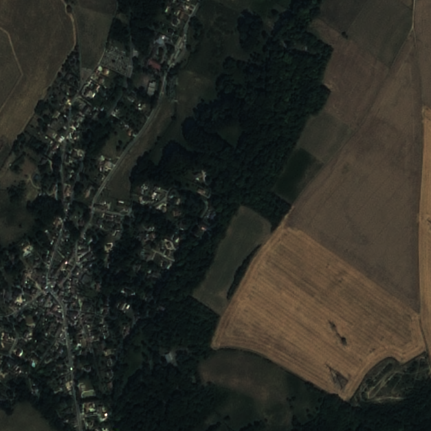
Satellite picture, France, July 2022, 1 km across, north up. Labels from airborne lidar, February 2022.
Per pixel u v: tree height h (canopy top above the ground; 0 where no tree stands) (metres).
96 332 6
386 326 0
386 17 0
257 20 24
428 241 0
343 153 0
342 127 0
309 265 0
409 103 0
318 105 13
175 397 23
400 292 0
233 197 24
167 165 12
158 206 0
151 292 23
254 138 22
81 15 0
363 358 0
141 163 18
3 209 0
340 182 0
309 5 21
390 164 0
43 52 0
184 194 17
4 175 0
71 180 11
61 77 16
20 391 17
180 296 21
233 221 0
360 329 0
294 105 19
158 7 24
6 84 0
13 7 0
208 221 0
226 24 0
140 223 18
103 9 0
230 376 0
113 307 18
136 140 0
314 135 0
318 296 0
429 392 11
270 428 0
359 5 0
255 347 0
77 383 15
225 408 0
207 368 0
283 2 0
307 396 0
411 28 0
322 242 0
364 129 0
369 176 0
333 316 0
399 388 0
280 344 0
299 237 0
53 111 15
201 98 0
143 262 9
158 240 11
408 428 25
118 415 26
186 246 21
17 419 0
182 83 0
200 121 18
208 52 0
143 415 26
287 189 0
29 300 0
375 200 0
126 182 0
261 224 0
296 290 0
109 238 0
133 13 9
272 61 19
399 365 0
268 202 17
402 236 0
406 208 0
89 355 13
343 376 0
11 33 0
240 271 13
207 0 0
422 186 0
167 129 0
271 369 0
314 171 0
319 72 14
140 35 26
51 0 0
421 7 0
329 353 0
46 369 9
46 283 0
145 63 0
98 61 0
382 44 0
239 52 0
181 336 16
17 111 0
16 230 0
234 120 36
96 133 24
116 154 0
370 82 0
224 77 16
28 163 0
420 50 0
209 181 15
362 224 0
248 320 0
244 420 0
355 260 0
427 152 0
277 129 27
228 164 25
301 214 0
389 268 0
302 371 0
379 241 0
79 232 12
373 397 0
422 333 0
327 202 0
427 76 0
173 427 22
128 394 22
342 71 0
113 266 17
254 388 0
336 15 0
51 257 6
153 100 19
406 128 0
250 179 22
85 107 8
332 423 19
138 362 0
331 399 17
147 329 24
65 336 0
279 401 0
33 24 0
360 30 0
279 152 20
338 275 0
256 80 30
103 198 0
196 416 22
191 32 0
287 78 23
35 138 9
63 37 0
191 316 13
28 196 0
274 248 0
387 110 0
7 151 0
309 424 9
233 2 0
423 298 0
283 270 0
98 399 11
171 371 27
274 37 19
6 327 14
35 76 0
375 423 12
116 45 0
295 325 0
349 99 0
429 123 0
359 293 0
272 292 0
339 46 0
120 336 14
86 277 0
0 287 8
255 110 26
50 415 16
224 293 0
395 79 0
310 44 17
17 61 0
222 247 0
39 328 8
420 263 0
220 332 0
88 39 0
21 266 14
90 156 11
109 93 8
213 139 33
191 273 23
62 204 20
